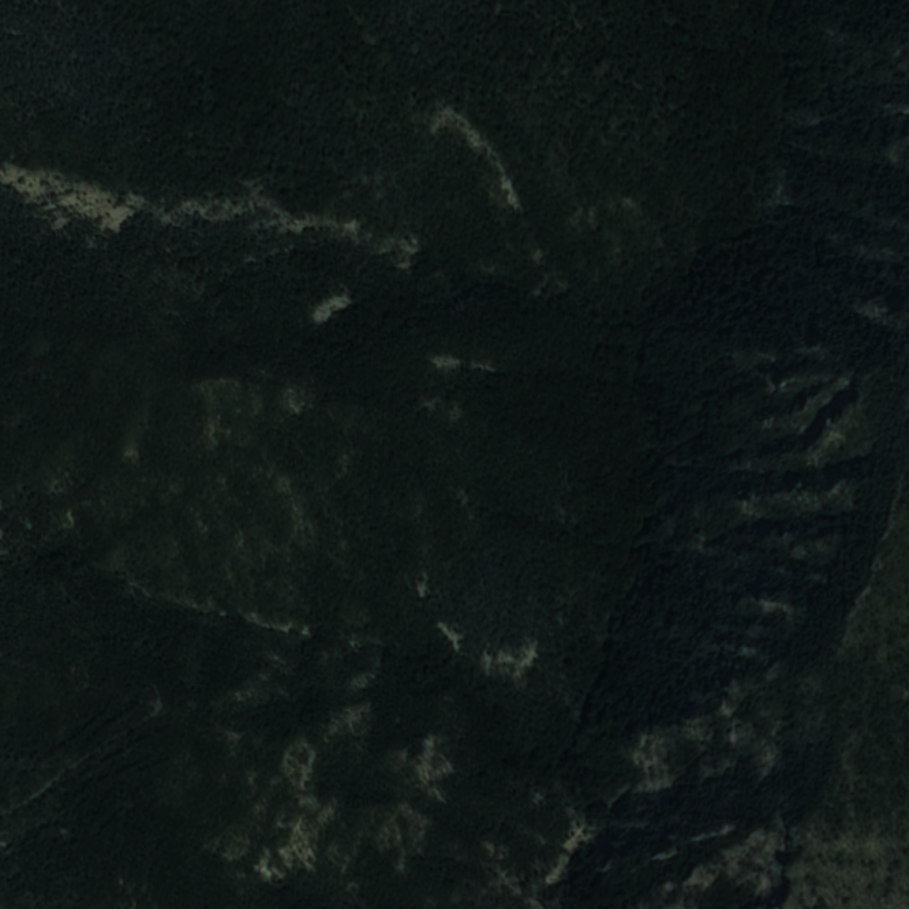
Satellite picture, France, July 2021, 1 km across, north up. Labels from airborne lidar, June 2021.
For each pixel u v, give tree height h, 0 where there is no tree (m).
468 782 7
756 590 6
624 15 18
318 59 12
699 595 11
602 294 9
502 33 14
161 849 7
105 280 11
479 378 8
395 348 11
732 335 11
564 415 16
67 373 7
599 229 9
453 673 16
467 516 10
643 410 25
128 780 6
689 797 11
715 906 8
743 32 17
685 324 7
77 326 7
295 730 7
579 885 20
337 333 17
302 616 7
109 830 8
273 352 8
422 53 11
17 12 8
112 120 10
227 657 11
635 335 17
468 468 8
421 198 9
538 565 10
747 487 6
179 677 7
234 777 6
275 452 5
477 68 13
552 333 10
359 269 9
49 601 8
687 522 8
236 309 11
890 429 10
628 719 11
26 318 8
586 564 7
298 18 14
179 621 8
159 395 6
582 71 12
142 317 7
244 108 10
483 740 12
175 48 10
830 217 7
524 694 11
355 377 13
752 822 8
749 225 14
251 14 9
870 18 7
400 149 9
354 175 8
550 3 19
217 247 10
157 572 6
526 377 22
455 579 8
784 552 7
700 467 11
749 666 10
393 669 12
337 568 8
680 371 13
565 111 13
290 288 10
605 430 15
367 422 6
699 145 15
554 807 11
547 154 10
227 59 13
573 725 19
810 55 18
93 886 6
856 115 12
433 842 6
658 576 17
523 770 16
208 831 7
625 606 11
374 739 11
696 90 8
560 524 16
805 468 7
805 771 9
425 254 18
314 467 10
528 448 6
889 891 6
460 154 8
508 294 13
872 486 8
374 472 11
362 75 15
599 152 13
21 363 9
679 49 20
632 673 20
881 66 6
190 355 9
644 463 27
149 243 7
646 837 10
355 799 11
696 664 7
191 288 6
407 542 8
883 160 7
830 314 7
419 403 10
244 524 10
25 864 9
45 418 6
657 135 10
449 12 10
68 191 7
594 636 12
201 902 7
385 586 10
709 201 12
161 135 10
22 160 9
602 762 9
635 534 21
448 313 11
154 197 11
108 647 7
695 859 16
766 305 10
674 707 14
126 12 12
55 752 10
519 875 10
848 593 9
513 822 8
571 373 17
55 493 5
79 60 12
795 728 8
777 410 13
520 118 7
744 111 20
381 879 8
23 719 7
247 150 16
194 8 10
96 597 8
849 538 8
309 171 11
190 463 5
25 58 12
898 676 8
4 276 14
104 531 6
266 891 9
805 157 8
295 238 7
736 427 8
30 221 11
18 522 13
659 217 11
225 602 7
